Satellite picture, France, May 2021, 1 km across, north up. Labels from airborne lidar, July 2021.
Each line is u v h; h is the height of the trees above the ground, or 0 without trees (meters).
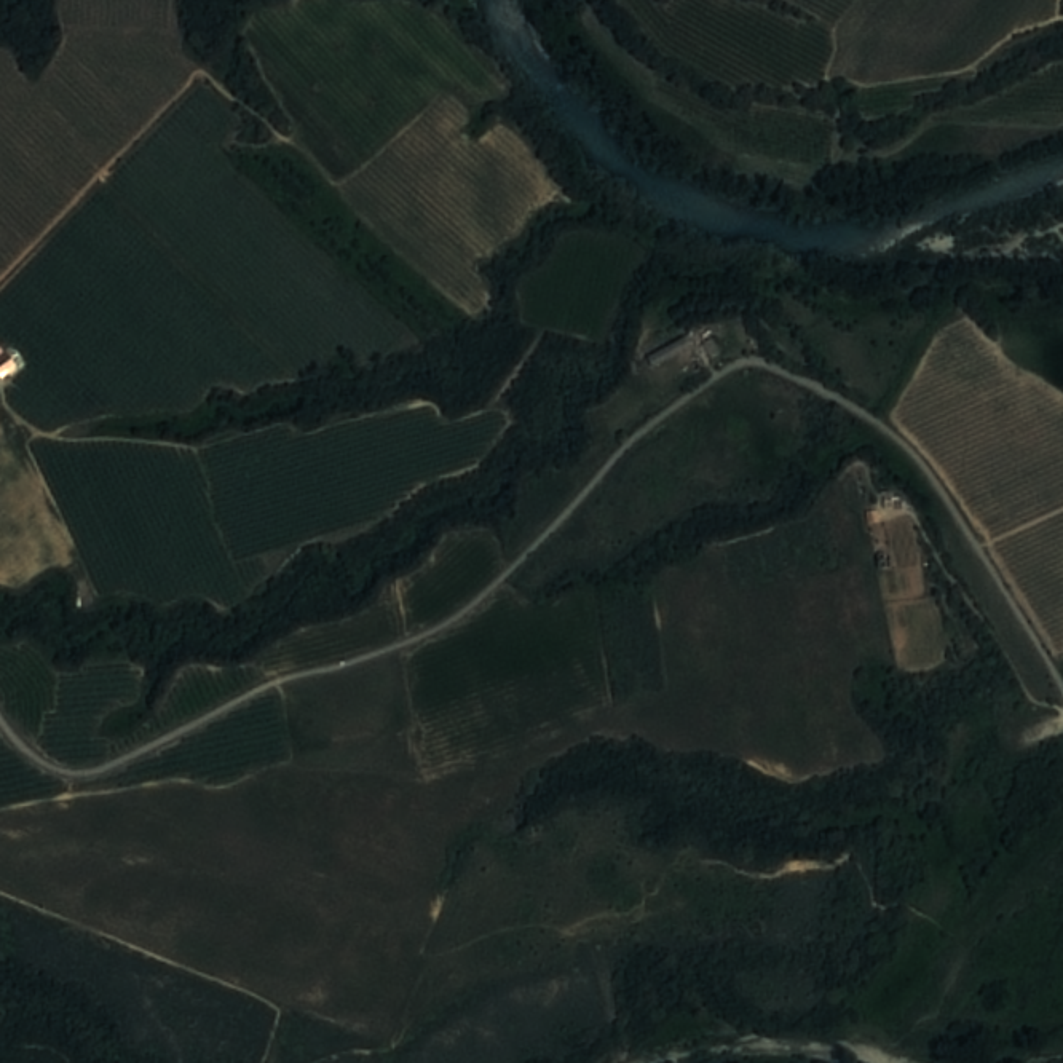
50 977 7
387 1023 0
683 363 0
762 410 0
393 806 0
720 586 0
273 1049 0
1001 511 0
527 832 9
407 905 0
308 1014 0
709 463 0
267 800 0
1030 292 27
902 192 28
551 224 12
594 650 0
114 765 0
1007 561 0
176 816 0
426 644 0
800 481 12
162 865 0
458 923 0
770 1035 14
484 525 8
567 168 9
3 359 0
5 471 0
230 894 0
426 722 0
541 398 9
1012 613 0
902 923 16
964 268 28
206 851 0
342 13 0
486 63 0
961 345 0
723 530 11
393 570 10
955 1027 12
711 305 11
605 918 0
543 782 6
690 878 0
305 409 11
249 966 0
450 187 0
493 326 8
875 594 0
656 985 9
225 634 7
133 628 8
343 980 0
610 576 11
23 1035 6
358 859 0
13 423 0
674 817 13
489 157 0
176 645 10
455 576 0
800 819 14
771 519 9
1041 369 0
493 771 0
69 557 0
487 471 9
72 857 0
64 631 6
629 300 7
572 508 0
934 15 0
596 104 15
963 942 0
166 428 13
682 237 9
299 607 6
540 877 0
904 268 18
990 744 8
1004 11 0
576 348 9
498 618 0
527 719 0
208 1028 0
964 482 0
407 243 0
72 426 0
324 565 7
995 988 11
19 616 8
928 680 10
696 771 10
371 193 0
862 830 12
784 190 25
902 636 0
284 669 0
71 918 0
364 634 0
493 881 0
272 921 0
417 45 0
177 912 0
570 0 18
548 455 11
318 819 0
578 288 0
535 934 0
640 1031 13
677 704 0
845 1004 17
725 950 10
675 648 0
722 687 0
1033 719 0
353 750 0
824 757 0
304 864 0
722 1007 13
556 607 0
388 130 0
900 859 12
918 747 15
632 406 0
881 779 10
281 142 0
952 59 0
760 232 0
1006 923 8
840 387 11
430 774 0
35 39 16
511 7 0
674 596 0
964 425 0
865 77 0
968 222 6
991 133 0
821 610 0
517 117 8
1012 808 12
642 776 9
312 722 0
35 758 0
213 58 11
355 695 0
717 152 0
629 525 0
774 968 8
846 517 0
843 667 0
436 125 0
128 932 0
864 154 13
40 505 0
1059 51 13
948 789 12
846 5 0
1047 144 17
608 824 0
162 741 0
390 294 7
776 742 0
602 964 0
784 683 0
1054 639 0
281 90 0
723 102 19
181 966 0
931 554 10
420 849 0
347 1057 0
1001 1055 6
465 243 0
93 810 0
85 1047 9
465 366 7
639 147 6
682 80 19
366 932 0
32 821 0
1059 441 0
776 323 9
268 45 0
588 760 8
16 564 0
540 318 0
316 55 0
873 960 10
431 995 0
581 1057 6
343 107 0
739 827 10
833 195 21
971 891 8
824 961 8
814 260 27
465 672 0
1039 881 0
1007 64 11
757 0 12
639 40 18
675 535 11
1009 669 10
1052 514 0
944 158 6
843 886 10
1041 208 9
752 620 0
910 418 0
